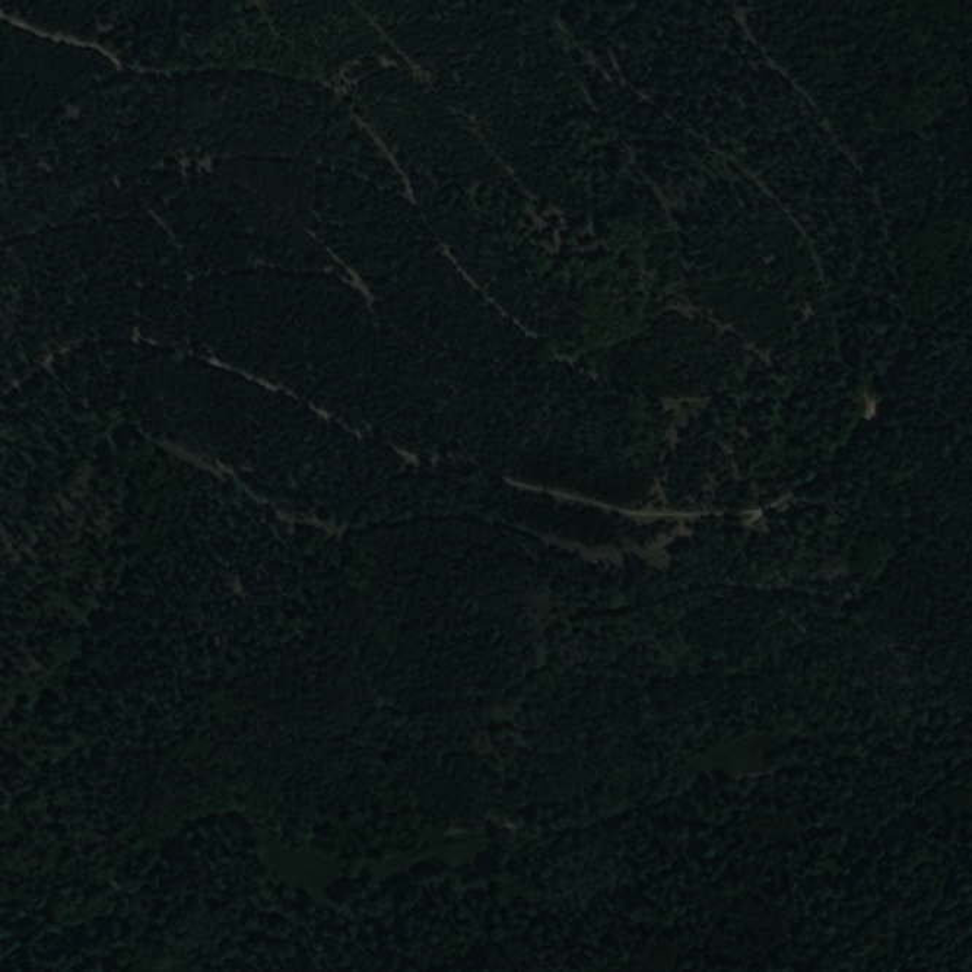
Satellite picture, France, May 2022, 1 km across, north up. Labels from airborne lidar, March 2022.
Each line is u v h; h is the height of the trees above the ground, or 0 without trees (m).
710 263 7
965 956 30
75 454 7
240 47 20
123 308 18
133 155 18
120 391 24
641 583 23
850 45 13
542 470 14
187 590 33
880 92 17
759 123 38
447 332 19
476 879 30
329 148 14
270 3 6
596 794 31
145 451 20
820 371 16
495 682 19
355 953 36
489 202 18
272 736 27
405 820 18
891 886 19
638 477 10
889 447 29
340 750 26
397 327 22
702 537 17
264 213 17
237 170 15
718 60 33
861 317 38
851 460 28
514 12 7
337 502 28
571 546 0
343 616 28
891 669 18
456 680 24
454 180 10
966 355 15
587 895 29
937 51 17
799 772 26
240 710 28
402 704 22
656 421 27
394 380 20
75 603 37
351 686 29
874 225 18
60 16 8
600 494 14
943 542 31
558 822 27
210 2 25
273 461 27
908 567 28
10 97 15
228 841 8
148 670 17
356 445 24
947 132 26
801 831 9
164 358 25
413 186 6
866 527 25
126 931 32
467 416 23
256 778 25
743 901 10
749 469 10
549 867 20
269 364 23
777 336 8
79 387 28
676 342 9
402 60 8
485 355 20
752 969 12
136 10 10
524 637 21
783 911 10
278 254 21
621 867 30
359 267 14
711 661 30
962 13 20
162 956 26
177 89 20
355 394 25
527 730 13
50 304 18
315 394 21
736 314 9
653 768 24
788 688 25
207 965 26
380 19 7
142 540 14
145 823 18
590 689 26
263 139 15
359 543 21
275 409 25
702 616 26
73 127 22
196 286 17
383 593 29
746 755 0
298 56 17
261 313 22
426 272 19
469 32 7
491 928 30
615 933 11
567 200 10
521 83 9
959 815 8
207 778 25
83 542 9
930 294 19
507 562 24
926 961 19
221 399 22
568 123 27
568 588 13
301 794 17
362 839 36
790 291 10
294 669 23
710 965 30
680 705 25
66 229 23
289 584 33
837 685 23
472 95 7
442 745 16
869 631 24
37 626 31
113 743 16
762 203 34
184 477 8
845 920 17
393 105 6
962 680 28
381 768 18
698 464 8
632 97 18
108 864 25
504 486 24
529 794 28
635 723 30
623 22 27
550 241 19
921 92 17
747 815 12
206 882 35
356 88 6
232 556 32
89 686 11
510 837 22
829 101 13
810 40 15
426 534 18
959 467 21
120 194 19
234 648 11
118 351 24
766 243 7
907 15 14
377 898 30
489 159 9
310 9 6
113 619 27
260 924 27
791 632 23
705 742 25
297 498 28
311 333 23
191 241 16
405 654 26
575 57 23
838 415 30
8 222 26
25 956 32
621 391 28
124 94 17
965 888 24
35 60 11
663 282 7
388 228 19
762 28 13
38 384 30
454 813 19
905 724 28
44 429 34
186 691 12
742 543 19
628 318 24
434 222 15
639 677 13
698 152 30
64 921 32
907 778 14
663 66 30
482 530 26
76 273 16
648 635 19
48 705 37
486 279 19
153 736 19
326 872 0
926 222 16
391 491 26
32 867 32
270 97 17
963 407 19
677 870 25
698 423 18
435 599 25
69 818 31
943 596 27
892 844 34
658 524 10
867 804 14
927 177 29
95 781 36
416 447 24
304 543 23
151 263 17
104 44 15
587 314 21
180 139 16
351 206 16
